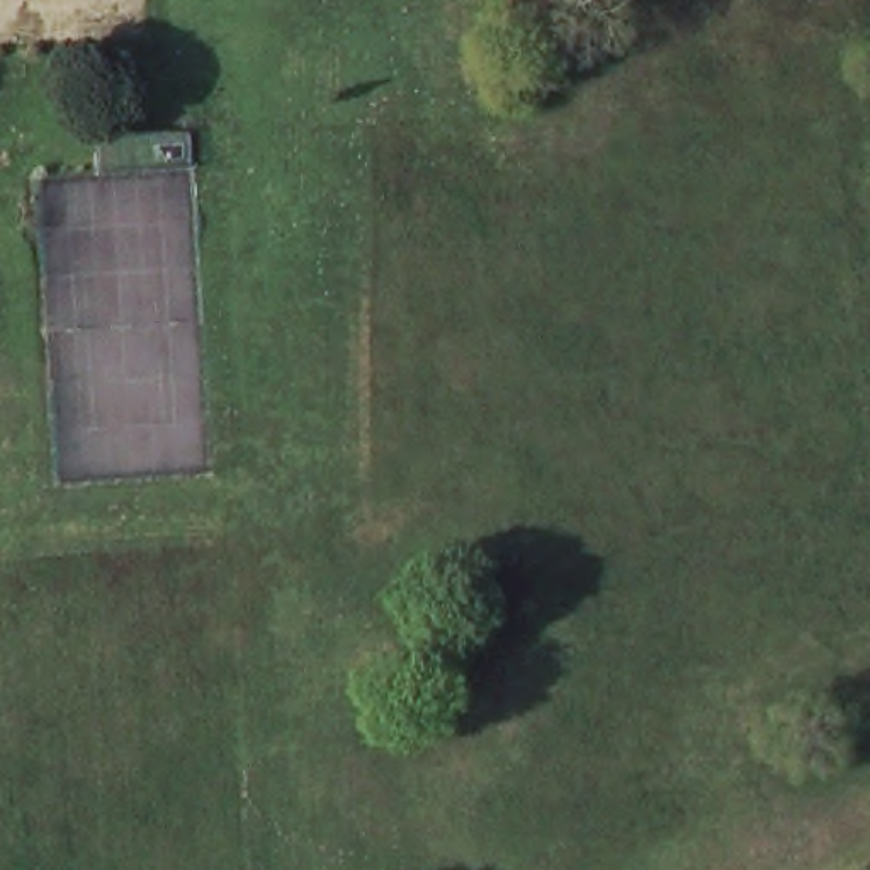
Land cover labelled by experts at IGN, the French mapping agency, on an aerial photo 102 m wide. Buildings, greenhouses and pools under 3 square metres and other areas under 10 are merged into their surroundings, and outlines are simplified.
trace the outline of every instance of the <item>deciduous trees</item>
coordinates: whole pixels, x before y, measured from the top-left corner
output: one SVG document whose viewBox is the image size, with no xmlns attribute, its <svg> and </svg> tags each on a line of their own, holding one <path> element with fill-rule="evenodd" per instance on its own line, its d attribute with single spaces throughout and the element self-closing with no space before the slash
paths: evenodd
<svg viewBox="0 0 870 870">
<path fill-rule="evenodd" d="M 629 24 L 632 0 L 483 0 L 483 7 L 469 17 L 469 44 L 462 44 L 462 78 L 466 85 L 476 85 L 483 109 L 496 112 L 500 126 L 527 126 L 537 112 L 537 92 L 547 92 L 557 78 L 568 75 L 568 61 L 554 54 L 557 44 L 578 41 L 581 68 L 595 65 L 598 54 L 625 54 L 636 34 Z"/>
<path fill-rule="evenodd" d="M 833 799 L 833 792 L 843 785 L 843 768 L 856 758 L 856 731 L 863 710 L 853 703 L 839 703 L 836 686 L 829 686 L 816 697 L 782 690 L 758 707 L 758 724 L 748 734 L 751 768 L 782 792 L 782 799 Z"/>
<path fill-rule="evenodd" d="M 843 51 L 843 82 L 860 99 L 870 95 L 870 44 L 863 41 Z"/>
<path fill-rule="evenodd" d="M 469 707 L 469 653 L 476 653 L 503 625 L 503 588 L 496 581 L 496 564 L 483 551 L 479 537 L 469 551 L 445 551 L 435 554 L 435 561 L 428 554 L 404 557 L 398 564 L 398 574 L 381 591 L 377 602 L 394 625 L 391 646 L 370 666 L 364 666 L 364 673 L 353 669 L 347 676 L 347 700 L 357 714 L 364 748 L 415 758 L 425 751 L 428 741 L 445 737 L 459 724 L 459 714 Z"/>
<path fill-rule="evenodd" d="M 116 71 L 105 65 L 99 37 L 58 41 L 48 54 L 48 65 L 65 75 L 58 85 L 61 126 L 95 146 L 112 143 L 119 136 L 133 136 L 133 122 L 143 116 L 136 78 L 129 71 Z"/>
</svg>

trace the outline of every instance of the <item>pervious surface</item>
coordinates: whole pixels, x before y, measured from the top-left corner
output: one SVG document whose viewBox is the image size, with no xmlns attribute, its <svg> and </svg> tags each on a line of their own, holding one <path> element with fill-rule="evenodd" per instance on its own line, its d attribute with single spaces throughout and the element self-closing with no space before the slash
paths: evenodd
<svg viewBox="0 0 870 870">
<path fill-rule="evenodd" d="M 0 44 L 14 41 L 20 48 L 58 41 L 99 37 L 112 34 L 126 20 L 139 20 L 146 0 L 0 0 Z"/>
</svg>

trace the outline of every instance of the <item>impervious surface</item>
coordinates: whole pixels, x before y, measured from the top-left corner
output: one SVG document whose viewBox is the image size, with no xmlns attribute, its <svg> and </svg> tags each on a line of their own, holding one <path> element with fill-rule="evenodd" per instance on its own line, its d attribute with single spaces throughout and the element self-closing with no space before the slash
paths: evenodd
<svg viewBox="0 0 870 870">
<path fill-rule="evenodd" d="M 187 139 L 180 146 L 163 143 L 153 153 L 150 167 L 51 167 L 34 187 L 34 207 L 27 211 L 27 218 L 34 221 L 31 248 L 41 268 L 44 394 L 54 449 L 54 479 L 61 486 L 177 479 L 211 472 L 204 411 L 201 285 L 194 251 L 194 197 L 201 163 L 194 160 Z"/>
</svg>

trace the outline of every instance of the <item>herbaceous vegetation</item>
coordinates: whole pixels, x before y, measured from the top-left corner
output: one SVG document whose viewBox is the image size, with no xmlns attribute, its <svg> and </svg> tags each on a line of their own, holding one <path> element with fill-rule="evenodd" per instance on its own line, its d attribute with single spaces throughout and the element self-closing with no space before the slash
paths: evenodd
<svg viewBox="0 0 870 870">
<path fill-rule="evenodd" d="M 0 870 L 870 870 L 870 95 L 860 99 L 843 82 L 843 51 L 863 41 L 870 44 L 870 0 L 632 0 L 629 24 L 636 34 L 625 54 L 598 54 L 595 65 L 581 68 L 578 41 L 557 44 L 554 54 L 568 61 L 568 75 L 557 78 L 547 92 L 537 92 L 537 112 L 527 126 L 500 126 L 496 112 L 483 109 L 476 85 L 466 85 L 462 78 L 462 44 L 469 44 L 469 17 L 483 7 L 483 0 L 146 0 L 139 20 L 126 20 L 112 34 L 99 37 L 105 65 L 116 71 L 129 71 L 136 78 L 143 116 L 133 122 L 133 136 L 119 136 L 112 143 L 95 146 L 61 126 L 58 85 L 65 75 L 48 65 L 48 54 L 58 41 L 20 48 L 14 41 L 0 44 Z M 187 139 L 194 160 L 201 163 L 194 197 L 194 251 L 201 285 L 204 411 L 211 472 L 177 479 L 61 486 L 54 479 L 54 449 L 44 394 L 41 268 L 31 248 L 34 221 L 27 218 L 27 211 L 34 207 L 34 187 L 51 167 L 150 167 L 153 153 L 163 143 L 180 146 Z M 370 666 L 391 646 L 394 625 L 377 602 L 381 591 L 398 574 L 398 564 L 404 557 L 428 554 L 435 561 L 435 554 L 445 551 L 469 551 L 479 537 L 483 551 L 496 564 L 496 581 L 503 588 L 503 625 L 476 653 L 469 653 L 469 707 L 459 714 L 459 724 L 445 737 L 428 741 L 425 751 L 415 758 L 364 748 L 357 714 L 347 700 L 347 676 L 353 669 L 364 673 L 364 666 Z M 833 799 L 782 799 L 782 792 L 751 768 L 748 734 L 758 724 L 758 707 L 782 690 L 816 697 L 829 686 L 836 686 L 839 703 L 853 703 L 863 710 L 856 731 L 856 758 L 843 768 L 843 785 L 833 792 Z"/>
</svg>

